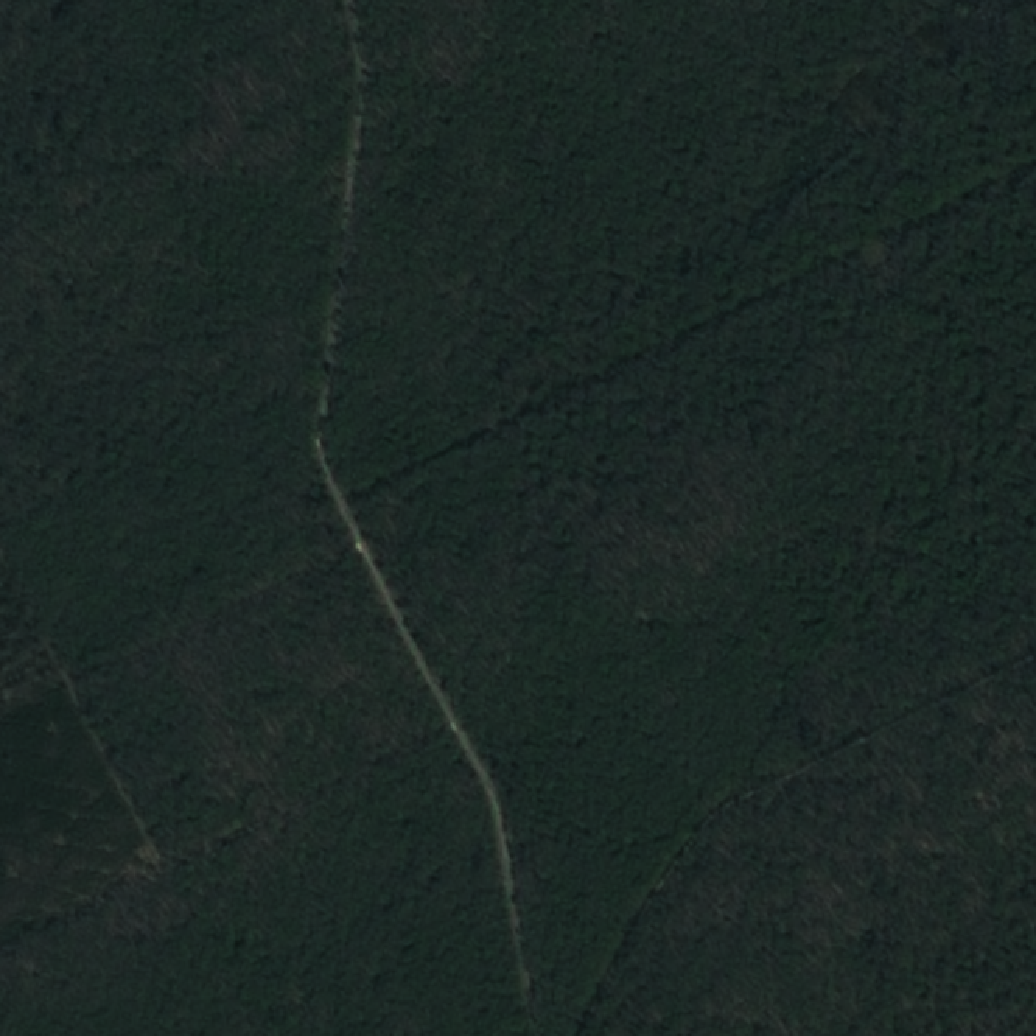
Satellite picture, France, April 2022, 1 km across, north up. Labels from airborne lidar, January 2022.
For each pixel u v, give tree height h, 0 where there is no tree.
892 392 21
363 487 17
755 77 22
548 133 21
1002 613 24
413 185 21
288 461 22
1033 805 24
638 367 20
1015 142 23
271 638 22
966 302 20
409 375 15
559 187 20
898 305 20
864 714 22
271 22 26
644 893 21
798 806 19
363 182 21
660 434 24
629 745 21
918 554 21
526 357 24
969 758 23
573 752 23
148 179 22
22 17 24
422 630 21
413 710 19
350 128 17
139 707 16
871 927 25
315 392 20
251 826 20
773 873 20
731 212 23
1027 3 16
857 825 23
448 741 19
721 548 24
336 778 22
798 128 22
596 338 24
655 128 21
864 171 26
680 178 22
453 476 22
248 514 22
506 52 22
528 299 25
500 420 20
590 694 20
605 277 22
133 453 21
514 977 24
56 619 20
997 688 22
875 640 21
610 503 26
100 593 19
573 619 22
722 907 23
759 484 23
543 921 21
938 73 25
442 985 24
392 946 25
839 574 22
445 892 22
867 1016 19
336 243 20
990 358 22
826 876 23
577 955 26
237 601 21
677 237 24
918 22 19
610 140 19
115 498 19
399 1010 27
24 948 18
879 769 22
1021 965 21
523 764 21
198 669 23
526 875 22
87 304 22
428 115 23
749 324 17
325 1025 28
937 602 23
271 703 21
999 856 23
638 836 22
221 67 26
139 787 19
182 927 22
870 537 26
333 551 24
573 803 22
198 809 21
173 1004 22
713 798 21
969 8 21
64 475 24
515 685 23
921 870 19
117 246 21
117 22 21
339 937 22
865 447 23
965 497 25
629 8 22
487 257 21
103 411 18
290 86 24
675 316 21
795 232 23
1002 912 24
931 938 25
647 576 25
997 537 25
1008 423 27
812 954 22
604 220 25
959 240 22
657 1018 24
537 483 22
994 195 23
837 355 21
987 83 18
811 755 17
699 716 20
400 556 20
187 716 21
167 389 21
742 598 23
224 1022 25
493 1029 20
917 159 23
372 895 22
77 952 21
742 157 24
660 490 25
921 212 11
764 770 17
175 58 27
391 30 24
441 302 21
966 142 22
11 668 17
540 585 23
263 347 21
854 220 22
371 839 23
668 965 22
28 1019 20
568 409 23
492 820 14
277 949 24
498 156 21
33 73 20
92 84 18
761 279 23
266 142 24
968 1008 23
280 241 19
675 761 21
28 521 23
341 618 20
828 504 21
